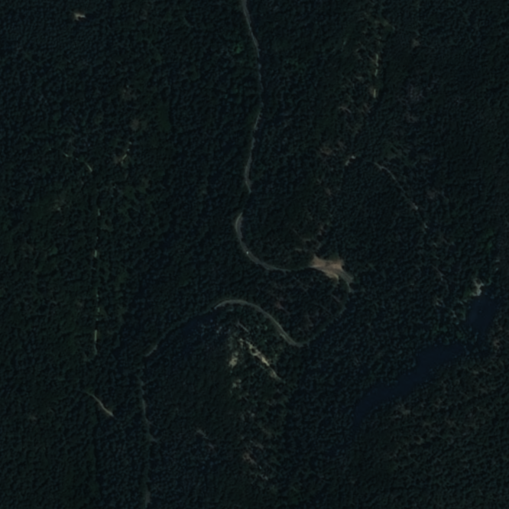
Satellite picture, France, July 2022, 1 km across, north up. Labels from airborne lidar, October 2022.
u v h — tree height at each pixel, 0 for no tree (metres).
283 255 19
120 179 25
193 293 27
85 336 38
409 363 29
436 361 27
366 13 26
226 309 11
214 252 33
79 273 29
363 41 29
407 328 25
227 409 14
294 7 20
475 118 25
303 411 30
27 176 33
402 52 18
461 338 24
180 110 30
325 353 24
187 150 37
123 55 25
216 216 28
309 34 23
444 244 8
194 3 26
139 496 29
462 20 19
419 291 11
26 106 28
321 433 24
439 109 24
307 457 27
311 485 33
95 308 21
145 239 30
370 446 19
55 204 11
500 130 12
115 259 36
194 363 17
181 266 28
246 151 22
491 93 19
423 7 13
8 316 24
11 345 29
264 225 14
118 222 30
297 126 15
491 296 34
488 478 24
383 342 26
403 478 17
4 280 28
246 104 36
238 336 18
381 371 21
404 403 20
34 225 31
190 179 36
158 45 24
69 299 24
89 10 32
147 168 31
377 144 25
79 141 13
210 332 24
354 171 28
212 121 17
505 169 18
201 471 17
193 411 21
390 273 30
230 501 19
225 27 28
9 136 29
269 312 26
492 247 18
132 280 15
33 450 26
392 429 18
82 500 15
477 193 27
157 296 27
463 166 33
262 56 12
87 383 33
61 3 30
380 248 36
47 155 24
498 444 30
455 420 23
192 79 38
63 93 33
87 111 21
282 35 16
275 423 41
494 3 23
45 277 27
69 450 9
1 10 34
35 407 24
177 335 21
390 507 18
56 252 24
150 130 13
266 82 18
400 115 25
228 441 19
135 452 32
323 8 30
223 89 9
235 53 26
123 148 16
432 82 24
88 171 21
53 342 23
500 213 11
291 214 23
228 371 13
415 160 29
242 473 27
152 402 26
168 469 32
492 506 22
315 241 22
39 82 31
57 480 33
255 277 24
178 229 30
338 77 11
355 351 29
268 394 29
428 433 11
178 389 24
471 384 25
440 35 30
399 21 25
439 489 25
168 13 25
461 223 27
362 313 23
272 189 26
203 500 28
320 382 18
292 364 24
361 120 34
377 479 21
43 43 30
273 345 33
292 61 24
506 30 22
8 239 30
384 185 26
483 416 26
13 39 30
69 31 29
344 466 24
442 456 19
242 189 25
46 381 22
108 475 30
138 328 18
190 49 24
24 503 26
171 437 22
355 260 28
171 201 28
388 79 26
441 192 30
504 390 29
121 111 16
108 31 23
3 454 31
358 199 28
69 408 32
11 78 33
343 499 22
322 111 17
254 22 8
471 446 29
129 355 18
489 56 23
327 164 15
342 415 29
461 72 15
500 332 14
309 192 19
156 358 15
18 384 22
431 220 7
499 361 24
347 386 24
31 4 36
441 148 31
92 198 21
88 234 25
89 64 32
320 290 32
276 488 33
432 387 14
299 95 18
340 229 37
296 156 25
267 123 6
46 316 18
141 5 15
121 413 20
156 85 38
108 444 32
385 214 28
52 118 23
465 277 19
